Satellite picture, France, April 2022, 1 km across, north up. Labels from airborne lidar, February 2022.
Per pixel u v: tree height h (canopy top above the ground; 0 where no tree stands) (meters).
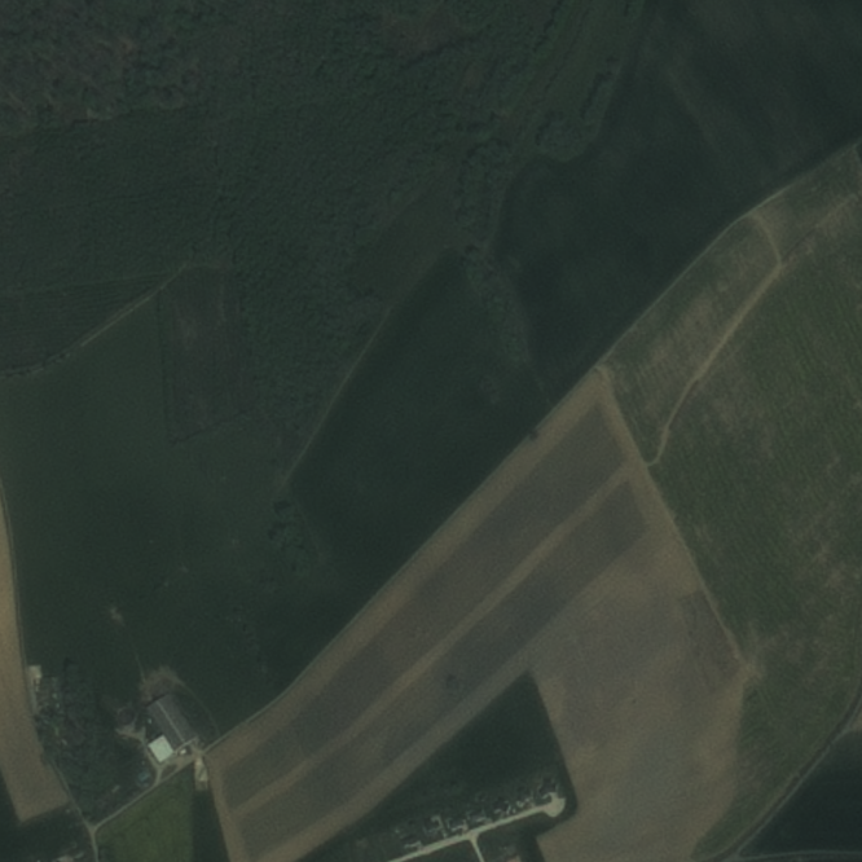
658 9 0
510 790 0
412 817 0
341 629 0
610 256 0
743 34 0
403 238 0
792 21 0
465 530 0
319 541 0
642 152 0
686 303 0
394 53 9
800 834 0
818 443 0
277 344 15
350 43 22
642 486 0
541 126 0
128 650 0
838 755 0
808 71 0
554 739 0
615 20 0
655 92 0
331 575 0
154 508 0
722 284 0
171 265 8
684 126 0
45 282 6
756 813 0
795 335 0
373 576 0
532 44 18
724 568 0
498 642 0
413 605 0
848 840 0
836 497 0
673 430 0
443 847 0
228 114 20
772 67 0
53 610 0
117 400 0
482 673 0
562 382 0
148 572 0
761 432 0
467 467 0
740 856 0
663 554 0
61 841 0
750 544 0
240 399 0
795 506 0
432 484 0
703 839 0
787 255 0
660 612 0
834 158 0
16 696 0
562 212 0
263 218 17
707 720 0
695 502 0
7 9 28
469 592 0
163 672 0
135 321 0
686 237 0
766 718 0
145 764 0
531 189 0
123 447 0
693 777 0
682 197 0
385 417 0
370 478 0
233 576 0
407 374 0
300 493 0
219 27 24
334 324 26
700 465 0
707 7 0
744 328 0
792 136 0
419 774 0
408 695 0
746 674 0
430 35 0
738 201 0
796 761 0
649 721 0
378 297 17
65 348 0
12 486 0
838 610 0
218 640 0
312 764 0
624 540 0
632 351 0
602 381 0
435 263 0
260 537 0
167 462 0
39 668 0
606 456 0
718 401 0
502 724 0
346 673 0
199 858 0
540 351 0
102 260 10
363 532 0
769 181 0
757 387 0
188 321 0
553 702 0
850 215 0
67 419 0
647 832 0
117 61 25
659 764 0
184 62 26
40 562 0
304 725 0
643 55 0
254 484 0
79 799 18
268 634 0
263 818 0
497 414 0
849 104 0
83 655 0
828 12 0
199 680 0
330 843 0
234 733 0
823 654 0
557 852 0
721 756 0
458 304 0
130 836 0
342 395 0
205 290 0
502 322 17
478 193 19
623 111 0
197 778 0
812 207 0
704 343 0
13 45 30
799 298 0
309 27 22
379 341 0
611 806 0
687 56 0
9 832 0
